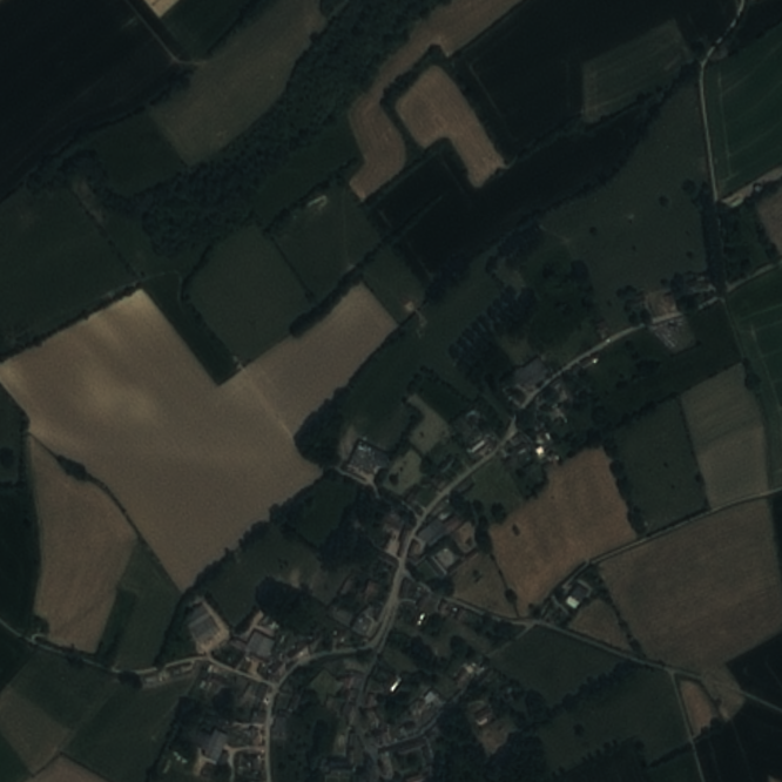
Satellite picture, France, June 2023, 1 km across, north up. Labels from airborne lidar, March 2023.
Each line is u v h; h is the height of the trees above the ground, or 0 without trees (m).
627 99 0
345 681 0
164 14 0
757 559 0
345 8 7
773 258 13
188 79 12
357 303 0
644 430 0
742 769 0
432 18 0
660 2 0
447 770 19
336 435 9
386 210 0
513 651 0
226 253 0
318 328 0
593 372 0
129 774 0
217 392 0
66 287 0
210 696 0
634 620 0
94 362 0
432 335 0
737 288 0
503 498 0
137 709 0
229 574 0
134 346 0
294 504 8
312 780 21
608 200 0
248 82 0
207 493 0
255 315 0
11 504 0
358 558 19
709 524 0
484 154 0
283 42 0
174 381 0
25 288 0
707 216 28
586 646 0
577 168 0
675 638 0
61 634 0
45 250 0
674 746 0
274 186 0
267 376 0
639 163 0
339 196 0
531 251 0
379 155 0
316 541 0
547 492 0
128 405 0
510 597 10
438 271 0
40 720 0
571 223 0
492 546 9
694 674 0
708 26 0
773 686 0
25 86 0
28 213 0
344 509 0
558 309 6
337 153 0
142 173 0
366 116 0
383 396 0
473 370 27
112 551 0
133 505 0
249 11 13
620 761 0
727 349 0
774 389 0
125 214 11
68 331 0
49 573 0
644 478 0
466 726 15
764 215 0
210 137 0
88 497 0
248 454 0
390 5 7
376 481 6
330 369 0
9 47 0
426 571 0
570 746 0
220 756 0
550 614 21
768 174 0
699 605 0
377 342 0
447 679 0
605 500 0
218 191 25
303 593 18
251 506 0
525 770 22
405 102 0
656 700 0
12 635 0
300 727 0
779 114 0
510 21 0
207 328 5
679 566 0
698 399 0
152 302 0
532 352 0
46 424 0
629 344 9
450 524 0
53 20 0
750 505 0
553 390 13
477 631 9
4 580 0
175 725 8
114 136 0
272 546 0
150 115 0
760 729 0
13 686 0
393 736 0
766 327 0
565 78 0
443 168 0
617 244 0
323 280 0
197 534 0
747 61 0
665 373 0
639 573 0
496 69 0
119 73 0
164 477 0
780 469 0
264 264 0
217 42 6
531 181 0
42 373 0
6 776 0
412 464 0
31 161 0
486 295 0
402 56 0
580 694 7
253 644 0
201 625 0
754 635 0
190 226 29
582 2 0
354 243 0
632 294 7
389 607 0
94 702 0
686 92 0
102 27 0
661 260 0
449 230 0
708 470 0
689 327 0
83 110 0
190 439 0
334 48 14
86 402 0
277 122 12
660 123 0
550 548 0
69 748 0
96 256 0
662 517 0
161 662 11
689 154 0
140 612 0
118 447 0
